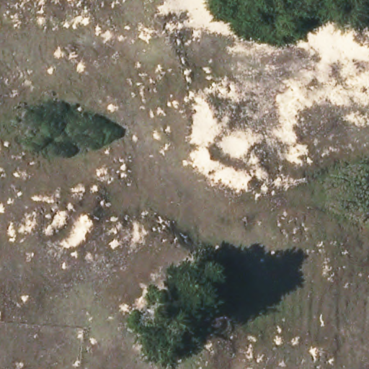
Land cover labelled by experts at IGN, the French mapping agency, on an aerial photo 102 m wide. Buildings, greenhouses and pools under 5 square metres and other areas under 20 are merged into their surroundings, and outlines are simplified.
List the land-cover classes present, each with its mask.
<instances>
[{"label":"herbaceous vegetation","instance_id":"1","mask_svg":"<svg viewBox=\"0 0 369 369\"><path fill-rule=\"evenodd\" d=\"M164 0H0V369H170V366L166 368L147 362L146 352L141 349V333L134 332L128 327V317L131 313L121 311V306H130L137 301L141 295V284H146L147 288L154 284L159 290H163L167 268L172 265L179 267L183 262H195L200 259L206 265L212 262L221 268L223 280L215 281L212 290L219 300L228 304L223 316L216 317L215 329L205 347L197 355L177 360L176 369H369V221L365 222L363 209L349 212L340 208V202L342 199L349 200V195L343 192L346 184L343 183V173L355 177L357 169L369 160V125H356L343 120L334 112L337 105H311L300 111L304 117V125L298 127L295 124L293 131L297 137L295 140L307 147L311 164L298 166L291 161L278 159L277 151L274 147L268 146L267 141H259L249 146L259 161V167L267 172L270 179L275 180L280 174H284L293 179L304 177L306 182L295 184L288 189L268 184L265 195L258 199L249 195L246 190L226 186L222 180L215 186H210L205 174L200 173L197 167L183 166V160L190 156L192 151L197 150V144L192 143L193 115L196 114L193 107L196 101L192 99L184 102V97L189 95V92H199L212 84H218L222 78H228V81L234 84L236 78L231 71L232 53L228 52V48L235 46V43L228 35L209 32L206 29L202 35L196 37L192 45L186 46V40L193 35L192 27L172 32L167 29V23L184 22L189 16L186 10L180 14H160L159 6ZM45 101H65L68 104H78V111H94L107 115L111 121L124 128V137L118 138L105 148L91 150L86 154L78 153L74 157L56 156L53 160H46L32 150L35 144L42 143L45 137L40 131L35 130L25 117L33 105H43ZM55 190L61 192L56 205L65 212V222L53 229L52 234L46 235L45 228L53 222L56 215L49 203L36 202L33 196H50ZM30 212H36L37 215L35 228L30 232H19L14 242H10V223H13V229L20 228L26 223V213ZM81 216H88L92 222L84 241L63 249L59 258L48 254V242L68 239L75 222ZM210 160L219 161L223 166L245 173L251 170V164L244 163L239 157L236 159L223 153L221 147L210 143Z\"/></svg>","mask_w":369,"mask_h":369},{"label":"bare soil","instance_id":"2","mask_svg":"<svg viewBox=\"0 0 369 369\"><path fill-rule=\"evenodd\" d=\"M186 10L189 16L184 22L167 23V29L172 32L192 27L193 35L186 40V46L192 45L196 37L202 35L206 29L209 32L228 35L235 43V46L228 48V52L232 53L231 71L236 78L234 84L228 81V78H222L218 84H212L199 92H189V95L184 97V102L192 99L196 101L193 107L196 114L193 115L192 143L197 144V150L192 151L190 156L183 160V166L197 167L200 173L205 174L210 186H215L222 180L226 186L246 190L249 195L258 199L265 195L268 184L288 189L295 184L306 182L304 177L293 179L284 174H280L275 180L270 179L267 172L259 167V161L249 146L259 141H267L268 146L274 147L277 151L278 159L291 161L298 166L311 164L307 147L295 140L297 137L293 131L295 124L298 127L304 125V117L300 111L311 105H337L334 112L343 120L356 125H369V29L356 32L346 25L339 30L333 23H327L308 33L307 40L275 48L267 43L242 39L231 30L228 23L215 22L205 0H164L159 6L160 14H180ZM210 143L221 147L223 153L236 159L239 157L244 163L251 164V170L245 173L223 166L219 161L210 160ZM61 192L55 190L50 196H33L36 202L49 203L56 215L53 222L45 228L46 235L52 234L53 229L65 222V212L56 205ZM37 215L36 212H30L26 213V223L20 228L13 229V223H10V242H14L19 232H30L35 228ZM92 222L88 216H81L75 222L68 239L48 242V254L59 258L63 249L84 241ZM141 295L137 301L130 306H121V311L131 313L140 310L144 320H154V311L160 304L154 303L151 306L147 303V288L146 284H141Z\"/></svg>","mask_w":369,"mask_h":369},{"label":"deciduous trees","instance_id":"3","mask_svg":"<svg viewBox=\"0 0 369 369\"><path fill-rule=\"evenodd\" d=\"M215 22L228 23L231 30L242 39L267 43L275 48L307 40L308 33L327 23H333L339 30L346 25L356 32L369 29V0H205ZM223 280L221 268L212 262L206 265L200 259L195 262H183L179 267L172 265L167 268L163 290L160 303L166 307V317L184 314L186 330L183 334L172 333L164 329L163 324L153 327L154 320H144L140 310L131 313L128 317V327L134 332L141 333V349L146 352L147 362L166 368L170 366V369H176L177 360L197 355L205 347L215 329L216 317L223 316L228 304L219 300L212 290L215 281Z\"/></svg>","mask_w":369,"mask_h":369},{"label":"brushwood","instance_id":"4","mask_svg":"<svg viewBox=\"0 0 369 369\"><path fill-rule=\"evenodd\" d=\"M25 117L35 130L40 131L45 137L42 143L35 144L32 150L46 160H53L56 156L74 157L78 153L86 154L91 150L105 148L118 138L124 137V128L111 121L107 115L94 111H78V104H68L65 101H45L43 105H33ZM343 183L346 184L343 192L349 195V200L342 199L340 202V208L349 212L363 209L365 222L369 221V160L357 169L355 177L343 173ZM147 303L151 306L154 303L160 304L154 311V320L153 327L163 324L164 329L172 333L183 334L186 330L184 314L166 317V307L160 303L163 290H159L154 284L147 288Z\"/></svg>","mask_w":369,"mask_h":369}]
</instances>
